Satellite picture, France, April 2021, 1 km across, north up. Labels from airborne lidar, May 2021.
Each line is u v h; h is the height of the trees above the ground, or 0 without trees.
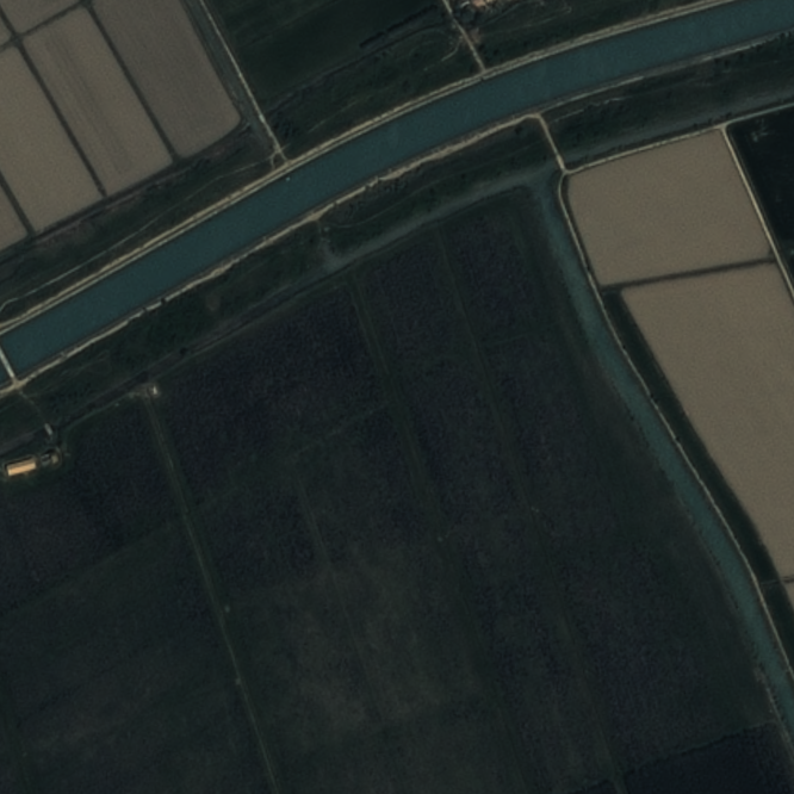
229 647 0
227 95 0
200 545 0
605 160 0
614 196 0
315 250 0
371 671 0
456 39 0
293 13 0
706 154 0
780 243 0
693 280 0
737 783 13
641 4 6
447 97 0
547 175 0
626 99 0
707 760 10
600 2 0
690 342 0
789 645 0
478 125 0
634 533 0
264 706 0
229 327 0
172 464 0
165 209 0
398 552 0
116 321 0
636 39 0
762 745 8
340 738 0
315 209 0
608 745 0
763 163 0
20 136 0
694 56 0
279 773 0
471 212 0
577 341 0
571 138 0
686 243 0
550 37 9
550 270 0
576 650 0
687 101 0
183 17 0
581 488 0
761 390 0
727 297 0
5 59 0
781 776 12
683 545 0
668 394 0
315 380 7
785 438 0
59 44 0
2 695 0
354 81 0
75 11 0
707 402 0
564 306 0
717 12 0
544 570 0
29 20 0
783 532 0
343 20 0
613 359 0
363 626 0
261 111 0
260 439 7
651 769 12
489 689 0
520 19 0
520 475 0
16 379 0
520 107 0
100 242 0
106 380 0
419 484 0
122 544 7
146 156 0
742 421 0
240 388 6
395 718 0
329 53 0
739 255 0
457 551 0
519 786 0
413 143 0
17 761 0
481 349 0
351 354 9
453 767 0
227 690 0
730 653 0
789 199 0
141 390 0
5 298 0
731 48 0
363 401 7
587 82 0
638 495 0
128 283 0
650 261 0
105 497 7
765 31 0
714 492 0
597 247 0
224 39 0
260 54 0
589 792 10
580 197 0
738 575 0
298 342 8
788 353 0
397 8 0
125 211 0
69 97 0
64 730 0
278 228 0
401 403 0
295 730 0
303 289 0
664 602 0
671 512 0
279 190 0
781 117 0
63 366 0
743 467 0
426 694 0
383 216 0
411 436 0
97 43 0
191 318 6
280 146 0
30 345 0
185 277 0
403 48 0
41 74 0
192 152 0
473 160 0
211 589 0
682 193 0
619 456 0
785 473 0
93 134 0
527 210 0
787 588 0
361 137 0
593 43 0
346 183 0
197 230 0
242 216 0
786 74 0
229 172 0
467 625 0
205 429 6
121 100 0
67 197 0
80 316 0
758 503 0
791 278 0
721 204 0
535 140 0
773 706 0
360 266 0
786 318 0
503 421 0
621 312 0
